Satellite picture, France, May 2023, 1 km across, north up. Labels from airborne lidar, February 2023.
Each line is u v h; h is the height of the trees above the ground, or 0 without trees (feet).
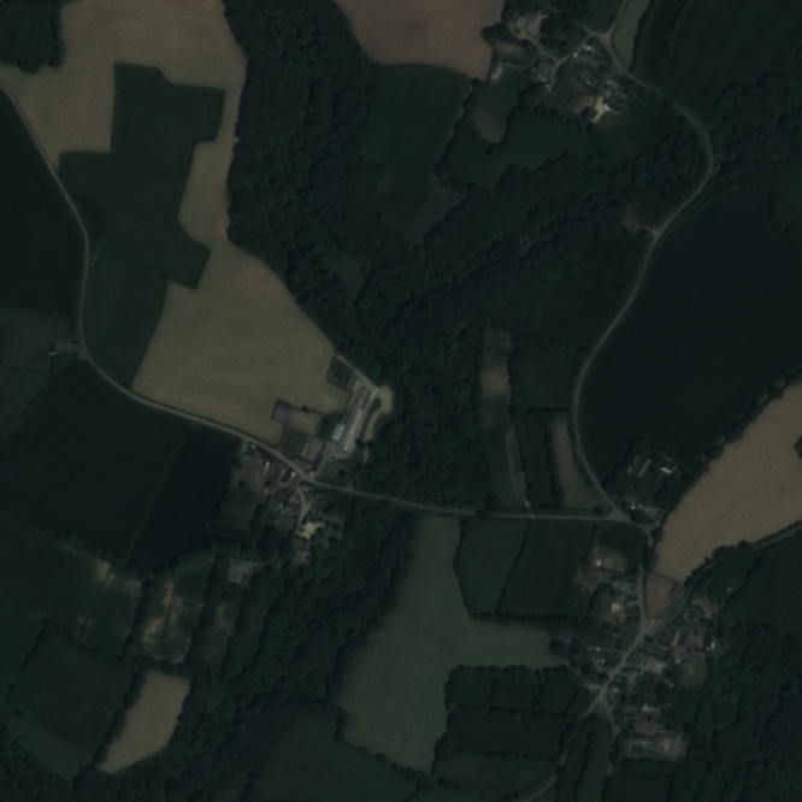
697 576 41
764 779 49
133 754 0
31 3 31
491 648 0
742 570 0
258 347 0
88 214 0
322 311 52
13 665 0
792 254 0
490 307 65
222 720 29
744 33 0
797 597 0
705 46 0
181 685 0
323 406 0
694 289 0
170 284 0
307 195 61
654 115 0
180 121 0
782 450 0
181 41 0
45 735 0
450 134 0
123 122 0
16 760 23
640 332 0
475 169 0
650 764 42
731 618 29
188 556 56
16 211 0
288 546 58
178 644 0
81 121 0
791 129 43
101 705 0
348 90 67
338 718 41
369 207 52
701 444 0
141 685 37
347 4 0
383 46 0
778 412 0
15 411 0
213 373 0
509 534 0
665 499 52
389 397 0
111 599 0
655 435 0
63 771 0
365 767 0
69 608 0
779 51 0
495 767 0
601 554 0
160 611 0
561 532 0
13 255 0
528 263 58
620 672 0
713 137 30
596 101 0
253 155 72
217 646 0
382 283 69
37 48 0
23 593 0
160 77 0
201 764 44
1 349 0
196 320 0
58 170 0
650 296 0
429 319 61
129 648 28
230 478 23
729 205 0
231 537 0
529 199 64
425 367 24
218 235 0
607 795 52
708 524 0
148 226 0
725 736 54
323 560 23
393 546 80
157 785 32
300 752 0
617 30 0
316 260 75
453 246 62
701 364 0
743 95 37
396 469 30
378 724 0
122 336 0
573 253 70
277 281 0
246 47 57
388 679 0
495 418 0
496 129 0
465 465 25
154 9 0
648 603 0
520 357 56
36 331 0
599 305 0
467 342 33
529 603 0
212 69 0
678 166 89
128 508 0
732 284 0
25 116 0
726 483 0
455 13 0
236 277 0
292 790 0
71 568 0
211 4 0
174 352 0
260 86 58
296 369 0
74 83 0
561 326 0
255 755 70
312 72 22
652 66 0
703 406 0
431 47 0
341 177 60
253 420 0
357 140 42
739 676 31
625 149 0
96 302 0
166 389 0
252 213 68
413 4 0
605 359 0
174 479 0
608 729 25
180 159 0
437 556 0
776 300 0
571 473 0
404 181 0
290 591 43
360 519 33
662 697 34
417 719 0
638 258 0
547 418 44
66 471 0
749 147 60
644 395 0
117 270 0
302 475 0
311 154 48
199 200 0
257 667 33
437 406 36
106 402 0
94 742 0
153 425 0
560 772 42
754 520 0
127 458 0
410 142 0
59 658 0
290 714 74
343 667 51
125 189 0
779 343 0
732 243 0
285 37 43
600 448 0
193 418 0
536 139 0
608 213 70
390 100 0
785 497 0
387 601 57
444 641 0
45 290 0
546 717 43
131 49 0
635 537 0
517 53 0
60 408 0
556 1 36
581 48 0
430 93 0
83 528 0
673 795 50
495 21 0
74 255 0
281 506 0
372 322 66
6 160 0
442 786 43
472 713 22
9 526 0
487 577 0
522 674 51
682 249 0
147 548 0
